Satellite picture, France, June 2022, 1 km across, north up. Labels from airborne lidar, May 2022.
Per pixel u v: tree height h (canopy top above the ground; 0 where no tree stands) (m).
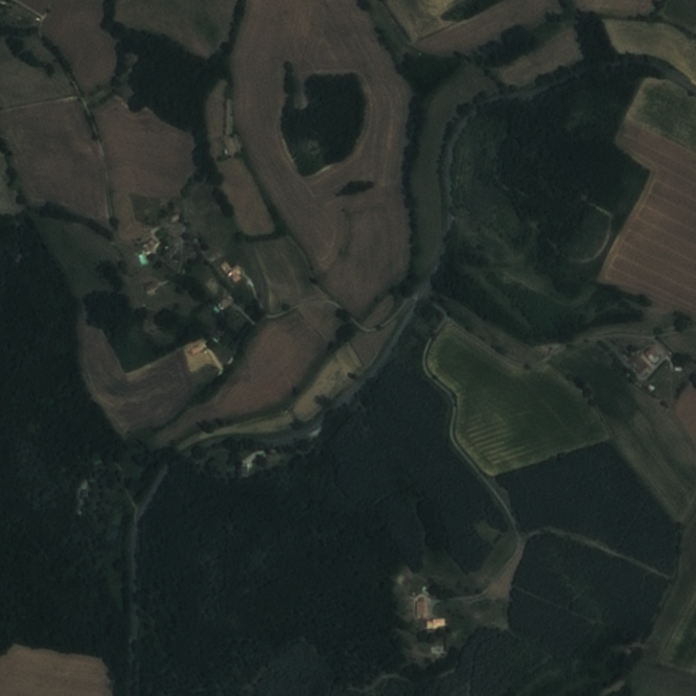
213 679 21
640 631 15
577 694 7
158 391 0
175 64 18
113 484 17
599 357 0
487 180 6
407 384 15
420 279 12
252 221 0
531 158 15
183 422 0
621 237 0
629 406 0
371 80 0
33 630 10
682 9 0
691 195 0
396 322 0
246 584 15
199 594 17
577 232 7
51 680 0
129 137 0
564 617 14
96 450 15
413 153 19
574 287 7
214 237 0
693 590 0
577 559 11
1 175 0
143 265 0
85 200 0
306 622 15
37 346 19
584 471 14
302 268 0
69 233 0
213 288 0
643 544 13
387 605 19
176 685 19
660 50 0
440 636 15
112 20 16
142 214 0
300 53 0
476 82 0
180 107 18
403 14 0
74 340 8
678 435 0
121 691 8
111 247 0
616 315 7
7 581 12
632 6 0
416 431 13
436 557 0
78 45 0
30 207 9
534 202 9
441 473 15
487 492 11
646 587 9
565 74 16
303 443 18
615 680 11
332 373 0
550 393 0
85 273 0
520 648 7
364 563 19
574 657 15
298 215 0
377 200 0
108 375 0
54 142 0
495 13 0
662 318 0
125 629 23
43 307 17
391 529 15
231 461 11
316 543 15
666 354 0
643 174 6
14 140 0
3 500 16
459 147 8
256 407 0
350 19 0
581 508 12
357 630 19
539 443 0
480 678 13
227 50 17
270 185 0
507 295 8
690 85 0
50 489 16
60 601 8
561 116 14
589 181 15
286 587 18
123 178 0
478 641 14
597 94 7
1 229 13
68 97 0
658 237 0
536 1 0
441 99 0
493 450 0
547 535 11
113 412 0
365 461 14
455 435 0
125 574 11
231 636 17
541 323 7
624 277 0
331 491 15
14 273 18
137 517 0
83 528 21
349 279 0
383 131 0
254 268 0
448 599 8
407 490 9
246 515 21
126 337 7
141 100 16
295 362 0
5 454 19
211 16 0
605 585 11
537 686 7
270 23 0
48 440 18
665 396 0
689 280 0
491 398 0
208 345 7
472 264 11
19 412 21
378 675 13
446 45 0
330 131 12
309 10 0
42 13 0
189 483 20
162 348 9
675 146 0
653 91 0
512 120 14
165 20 0
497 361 0
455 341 0
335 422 18
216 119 0
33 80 0
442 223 0
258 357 0
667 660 0
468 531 11
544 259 7
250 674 20
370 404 14
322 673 15
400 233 0
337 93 15
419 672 15
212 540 19
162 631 6
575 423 0
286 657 17
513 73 0
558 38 0
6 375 20
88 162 0
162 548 21
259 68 0
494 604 0
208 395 14
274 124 0
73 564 19
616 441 0
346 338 16
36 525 17
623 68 16
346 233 0
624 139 0
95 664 0
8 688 0
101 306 11
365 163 0
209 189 0
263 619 18
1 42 0
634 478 14
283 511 21
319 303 0
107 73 0
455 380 0
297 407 0
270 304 0
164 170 0
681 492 0
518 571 10
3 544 7
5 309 17
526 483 13
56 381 20
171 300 0
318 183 0
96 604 6
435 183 0
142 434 0
